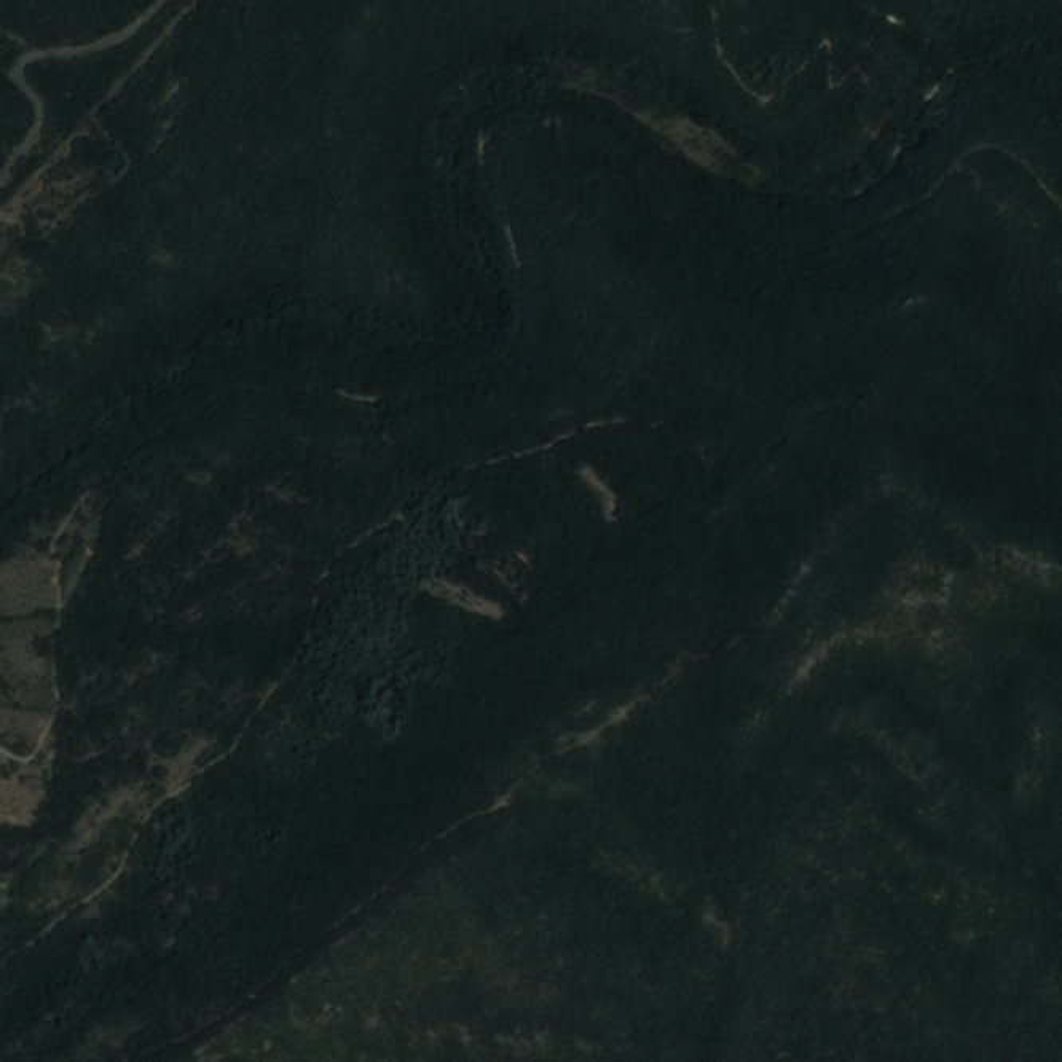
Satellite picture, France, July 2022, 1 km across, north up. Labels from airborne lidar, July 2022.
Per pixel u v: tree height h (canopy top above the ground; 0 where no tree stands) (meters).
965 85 6
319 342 13
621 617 7
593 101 9
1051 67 9
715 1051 6
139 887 5
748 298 12
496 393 10
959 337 6
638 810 6
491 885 6
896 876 6
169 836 16
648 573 6
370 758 8
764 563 6
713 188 9
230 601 9
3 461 8
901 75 5
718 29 6
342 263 6
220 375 10
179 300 11
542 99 10
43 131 8
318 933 7
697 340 9
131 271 9
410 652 7
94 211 5
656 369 5
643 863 6
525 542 8
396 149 14
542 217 7
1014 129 8
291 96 7
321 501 7
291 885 7
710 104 14
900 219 7
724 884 6
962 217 6
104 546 9
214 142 6
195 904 7
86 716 5
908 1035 5
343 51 8
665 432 5
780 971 5
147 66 6
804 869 6
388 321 15
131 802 0
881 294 9
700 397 7
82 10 6
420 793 8
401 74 10
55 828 6
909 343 6
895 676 7
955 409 8
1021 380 9
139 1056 6
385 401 7
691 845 8
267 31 8
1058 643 6
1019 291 11
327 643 16
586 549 7
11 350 9
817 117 6
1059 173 5
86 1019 8
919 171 6
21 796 0
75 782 6
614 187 9
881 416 7
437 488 10
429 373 12
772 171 10
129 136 8
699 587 7
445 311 18
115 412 12
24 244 8
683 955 6
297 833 6
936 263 5
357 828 8
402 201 13
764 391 11
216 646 6
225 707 8
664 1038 6
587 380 7
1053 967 7
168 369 7
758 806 7
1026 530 10
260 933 6
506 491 6
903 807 6
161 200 9
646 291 9
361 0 8
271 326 9
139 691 6
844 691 6
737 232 10
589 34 13
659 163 12
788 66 15
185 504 8
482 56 10
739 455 8
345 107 10
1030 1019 6
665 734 7
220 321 12
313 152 6
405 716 14
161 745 9
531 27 9
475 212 10
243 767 7
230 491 11
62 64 7
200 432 8
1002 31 7
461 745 8
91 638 6
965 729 6
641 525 8
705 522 7
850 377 7
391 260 6
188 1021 6
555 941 6
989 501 9
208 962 8
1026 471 11
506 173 8
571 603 7
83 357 7
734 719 5
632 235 10
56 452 14
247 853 12
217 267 10
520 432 8
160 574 7
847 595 6
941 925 6
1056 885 7
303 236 7
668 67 6
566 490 6
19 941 8
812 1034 6
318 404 9
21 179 7
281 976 7
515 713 8
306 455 6
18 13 6
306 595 6
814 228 9
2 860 6
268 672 9
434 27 9
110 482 7
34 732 0
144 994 7
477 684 9
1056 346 9
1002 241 7
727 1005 7
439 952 6
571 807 6
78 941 7
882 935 5
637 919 6
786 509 6
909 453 8
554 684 8
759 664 5
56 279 7
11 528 10
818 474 7
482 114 8
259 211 6
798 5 7
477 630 9
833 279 10
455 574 16
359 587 10
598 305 6
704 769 8
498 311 11
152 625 7
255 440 6
